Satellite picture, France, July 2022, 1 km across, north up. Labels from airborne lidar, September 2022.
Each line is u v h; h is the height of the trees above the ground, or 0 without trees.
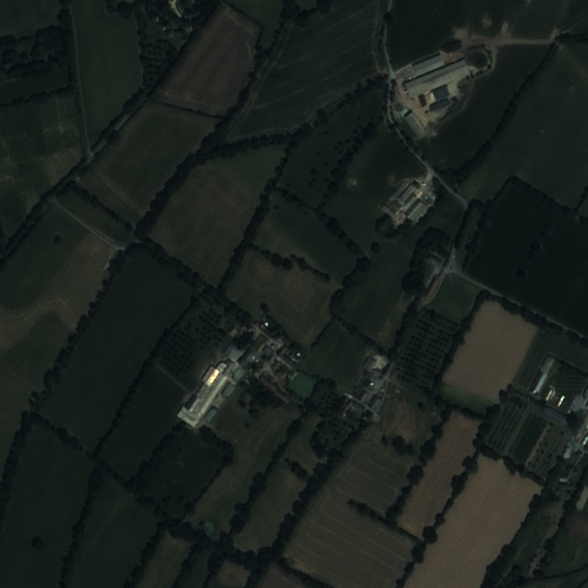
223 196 0
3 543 0
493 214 10
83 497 0
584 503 0
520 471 17
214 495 0
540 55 0
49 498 0
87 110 0
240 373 0
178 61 12
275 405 11
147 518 0
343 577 0
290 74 0
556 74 0
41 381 0
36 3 0
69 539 0
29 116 0
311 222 0
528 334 0
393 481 0
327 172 0
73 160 0
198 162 14
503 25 0
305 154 0
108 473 21
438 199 12
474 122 0
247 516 21
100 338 0
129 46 0
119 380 0
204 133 0
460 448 0
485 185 0
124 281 0
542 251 18
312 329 0
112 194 0
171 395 0
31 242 0
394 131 12
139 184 0
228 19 0
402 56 0
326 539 0
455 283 0
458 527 0
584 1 0
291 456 0
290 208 0
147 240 15
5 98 0
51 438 0
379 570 0
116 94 0
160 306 0
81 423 0
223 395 0
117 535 0
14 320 0
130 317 0
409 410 0
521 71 0
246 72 0
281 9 0
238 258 17
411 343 5
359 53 0
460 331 7
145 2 11
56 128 0
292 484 0
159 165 0
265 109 0
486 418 8
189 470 0
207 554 0
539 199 14
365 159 0
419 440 0
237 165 0
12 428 0
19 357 0
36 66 18
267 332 6
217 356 0
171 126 0
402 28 0
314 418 0
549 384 0
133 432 0
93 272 0
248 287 0
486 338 0
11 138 0
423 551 15
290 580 0
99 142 7
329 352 0
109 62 0
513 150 0
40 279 0
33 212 14
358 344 0
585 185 0
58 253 0
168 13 10
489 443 7
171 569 0
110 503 0
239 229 0
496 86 0
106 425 0
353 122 0
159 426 0
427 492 0
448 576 0
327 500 0
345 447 8
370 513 12
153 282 0
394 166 0
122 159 0
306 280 0
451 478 0
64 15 18
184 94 0
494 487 0
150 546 17
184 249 0
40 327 0
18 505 0
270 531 0
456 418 0
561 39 12
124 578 0
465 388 0
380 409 0
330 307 8
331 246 0
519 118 0
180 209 0
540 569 6
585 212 0
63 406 0
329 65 0
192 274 17
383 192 0
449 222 0
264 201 17
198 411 0
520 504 0
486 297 10
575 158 0
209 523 0
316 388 14
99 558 0
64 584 18
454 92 0
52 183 0
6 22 0
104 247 0
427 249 12
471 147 0
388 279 0
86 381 0
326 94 0
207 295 14
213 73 0
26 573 0
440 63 0
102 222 0
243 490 0
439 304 0
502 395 15
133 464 0
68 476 0
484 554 0
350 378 0
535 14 0
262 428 0
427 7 0
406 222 8
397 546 0
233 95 0
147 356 0
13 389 0
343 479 0
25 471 0
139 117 0
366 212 0
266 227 0
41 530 0
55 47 24
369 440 0
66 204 0
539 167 0
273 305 0
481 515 0
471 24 0
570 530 0
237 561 16
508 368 0
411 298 0
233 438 0
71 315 0
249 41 0
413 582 0
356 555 0
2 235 20
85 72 0
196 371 0
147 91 7
